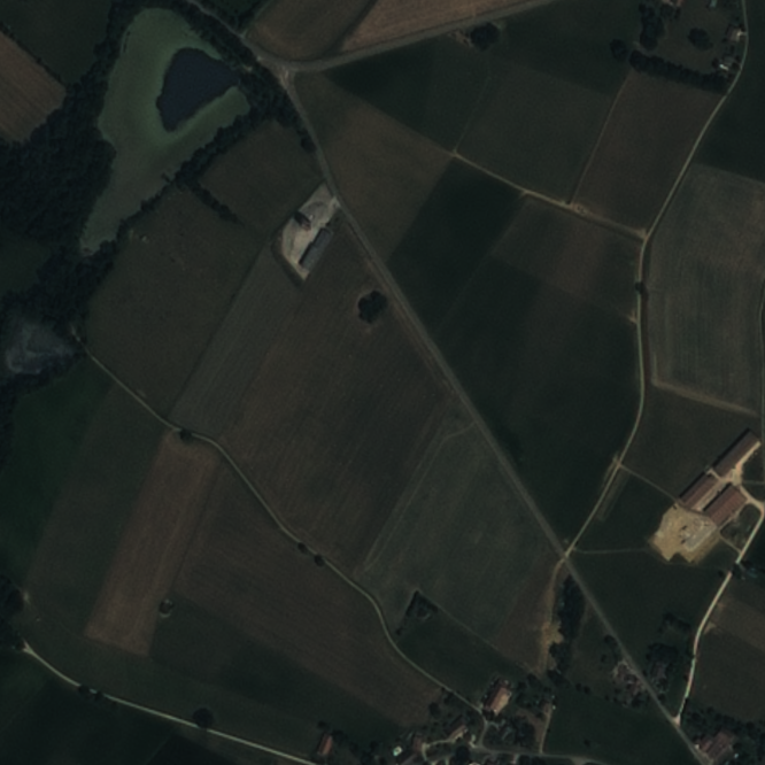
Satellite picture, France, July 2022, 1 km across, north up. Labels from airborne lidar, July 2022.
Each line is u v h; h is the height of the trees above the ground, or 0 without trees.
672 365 0
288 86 0
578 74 0
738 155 0
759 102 0
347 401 0
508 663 0
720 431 0
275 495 0
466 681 0
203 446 0
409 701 0
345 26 0
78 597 0
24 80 0
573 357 0
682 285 0
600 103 0
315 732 0
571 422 0
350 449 0
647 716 0
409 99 0
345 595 0
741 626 0
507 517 0
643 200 0
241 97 0
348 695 0
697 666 0
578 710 0
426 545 0
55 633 0
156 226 0
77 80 0
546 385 0
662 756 0
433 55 0
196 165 14
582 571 0
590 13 0
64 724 0
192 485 0
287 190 0
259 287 0
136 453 0
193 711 0
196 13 20
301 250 0
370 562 0
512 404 0
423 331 0
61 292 22
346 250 0
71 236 24
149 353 0
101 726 0
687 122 0
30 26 0
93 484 0
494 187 0
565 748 0
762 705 0
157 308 0
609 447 0
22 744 0
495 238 0
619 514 0
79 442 0
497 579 0
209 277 0
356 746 8
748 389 0
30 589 0
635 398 0
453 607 0
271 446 0
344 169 0
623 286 0
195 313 0
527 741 8
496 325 0
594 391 0
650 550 0
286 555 0
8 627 16
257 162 0
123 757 0
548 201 0
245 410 0
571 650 17
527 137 0
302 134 12
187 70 0
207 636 0
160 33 0
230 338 0
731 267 0
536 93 0
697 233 0
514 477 0
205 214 0
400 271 0
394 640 0
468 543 0
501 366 0
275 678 0
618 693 9
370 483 0
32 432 0
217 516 0
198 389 0
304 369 0
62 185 23
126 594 0
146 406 0
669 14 7
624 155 0
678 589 0
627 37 0
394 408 0
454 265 0
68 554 0
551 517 0
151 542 0
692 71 11
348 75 0
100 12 0
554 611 0
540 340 0
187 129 0
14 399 24
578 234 0
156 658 0
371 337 0
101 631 0
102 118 0
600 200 0
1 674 0
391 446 0
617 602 0
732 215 0
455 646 0
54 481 0
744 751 8
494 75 0
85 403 0
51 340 0
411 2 0
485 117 0
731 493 0
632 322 0
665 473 0
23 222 25
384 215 0
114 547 0
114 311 0
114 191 0
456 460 0
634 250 0
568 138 0
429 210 0
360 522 0
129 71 0
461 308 0
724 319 0
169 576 0
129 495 0
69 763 0
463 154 0
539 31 0
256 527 0
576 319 0
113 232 0
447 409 0
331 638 0
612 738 0
